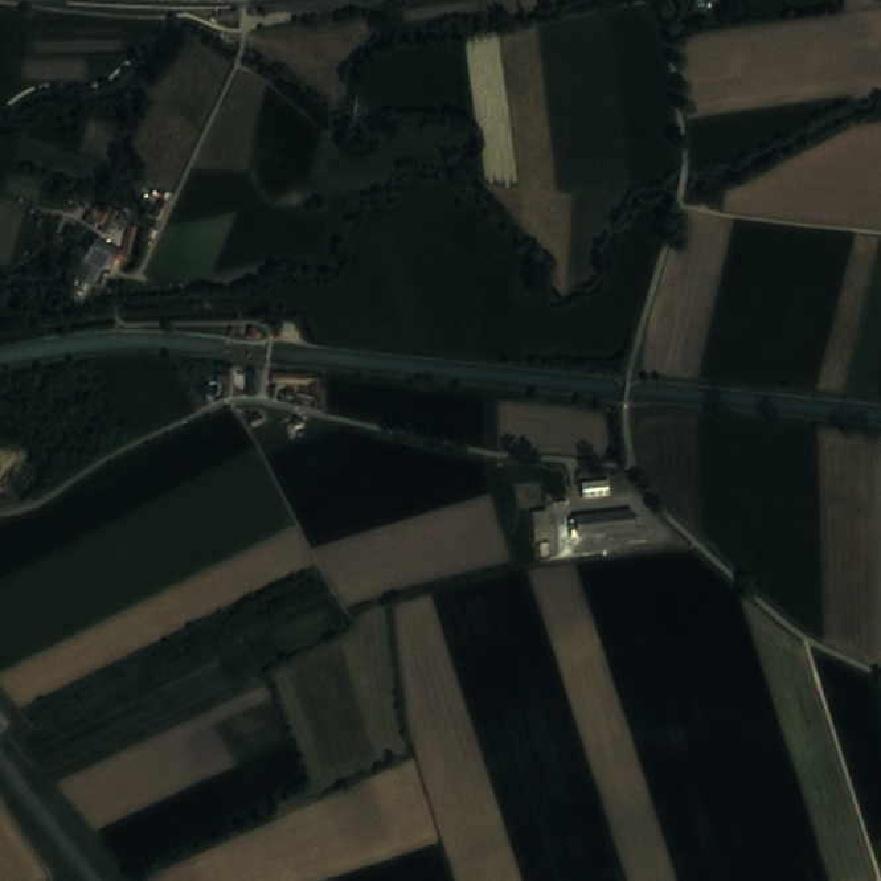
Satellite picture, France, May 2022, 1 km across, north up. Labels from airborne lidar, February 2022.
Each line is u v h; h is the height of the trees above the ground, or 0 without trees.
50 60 0
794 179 0
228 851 0
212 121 0
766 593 0
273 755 0
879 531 0
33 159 0
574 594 0
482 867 0
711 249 0
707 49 0
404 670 0
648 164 0
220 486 0
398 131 15
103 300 11
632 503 0
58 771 0
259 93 0
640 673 0
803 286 0
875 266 0
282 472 0
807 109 0
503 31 17
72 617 0
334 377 0
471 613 0
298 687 0
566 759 0
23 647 0
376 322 0
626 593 0
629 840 0
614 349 0
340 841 0
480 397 0
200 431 0
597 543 0
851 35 0
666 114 0
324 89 0
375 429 0
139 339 0
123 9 0
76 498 0
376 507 0
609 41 0
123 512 0
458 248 0
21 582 0
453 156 16
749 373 0
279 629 0
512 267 0
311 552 0
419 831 0
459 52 0
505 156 0
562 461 0
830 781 0
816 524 0
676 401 0
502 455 0
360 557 0
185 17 0
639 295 0
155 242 0
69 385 7
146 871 6
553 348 0
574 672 0
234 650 0
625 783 0
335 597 0
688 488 0
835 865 0
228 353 0
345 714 0
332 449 0
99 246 0
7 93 0
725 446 0
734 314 0
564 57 0
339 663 0
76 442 8
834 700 0
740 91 0
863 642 0
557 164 0
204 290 18
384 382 0
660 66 0
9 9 0
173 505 0
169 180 0
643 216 0
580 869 0
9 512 0
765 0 7
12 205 0
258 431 0
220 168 0
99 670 0
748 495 0
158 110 0
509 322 0
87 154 0
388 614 0
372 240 0
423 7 0
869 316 0
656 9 26
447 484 0
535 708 0
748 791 0
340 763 0
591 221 0
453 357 0
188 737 0
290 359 0
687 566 0
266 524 0
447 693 0
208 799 0
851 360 0
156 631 0
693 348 0
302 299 0
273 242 0
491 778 0
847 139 0
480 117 0
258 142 0
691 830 0
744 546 0
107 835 0
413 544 0
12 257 0
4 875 0
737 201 0
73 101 22
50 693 0
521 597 0
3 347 0
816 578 0
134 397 0
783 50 0
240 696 0
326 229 0
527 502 0
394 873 0
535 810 0
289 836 0
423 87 0
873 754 0
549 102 0
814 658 0
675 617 0
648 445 0
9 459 0
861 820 0
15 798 0
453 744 0
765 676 0
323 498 0
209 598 0
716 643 0
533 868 0
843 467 0
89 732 0
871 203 0
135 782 0
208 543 0
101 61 0
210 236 0
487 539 0
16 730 0
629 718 0
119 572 0
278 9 0
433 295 0
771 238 0
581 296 12
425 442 29
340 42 0
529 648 0
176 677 0
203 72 0
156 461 0
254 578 0
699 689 0
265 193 0
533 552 0
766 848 0
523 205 0
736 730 0
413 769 0
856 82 0
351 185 0
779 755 0
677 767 0
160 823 0
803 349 0
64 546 0
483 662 0
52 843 0
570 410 0
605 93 0
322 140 0
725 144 0
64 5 0
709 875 0
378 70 0
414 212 0
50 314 18
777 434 0
